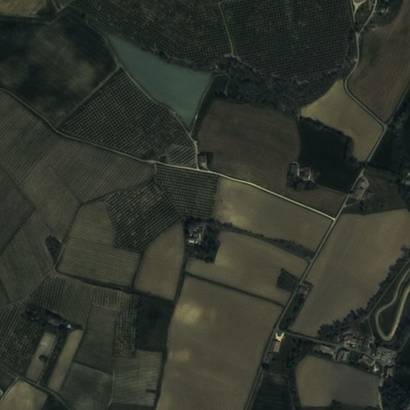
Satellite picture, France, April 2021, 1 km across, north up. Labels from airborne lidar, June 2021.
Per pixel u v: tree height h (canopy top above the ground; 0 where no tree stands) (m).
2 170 0
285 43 6
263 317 0
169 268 0
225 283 0
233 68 22
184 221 0
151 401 0
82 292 0
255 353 0
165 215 6
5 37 0
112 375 0
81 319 0
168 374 0
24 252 0
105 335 0
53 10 0
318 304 0
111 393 0
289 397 0
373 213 0
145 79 0
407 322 0
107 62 0
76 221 0
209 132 0
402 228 0
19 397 0
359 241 0
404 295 0
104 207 0
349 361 6
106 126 6
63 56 0
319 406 0
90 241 0
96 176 0
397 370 8
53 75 0
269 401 0
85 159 0
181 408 0
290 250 0
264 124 0
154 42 6
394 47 0
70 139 0
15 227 0
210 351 0
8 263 0
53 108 0
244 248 0
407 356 0
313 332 0
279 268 0
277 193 0
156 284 0
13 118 0
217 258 0
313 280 0
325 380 0
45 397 0
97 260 0
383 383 0
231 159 0
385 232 0
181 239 0
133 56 0
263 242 0
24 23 0
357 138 0
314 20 6
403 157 6
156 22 6
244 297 0
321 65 6
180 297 0
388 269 0
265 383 0
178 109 0
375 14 0
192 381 0
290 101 20
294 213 0
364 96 0
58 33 0
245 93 22
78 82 0
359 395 0
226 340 0
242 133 0
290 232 0
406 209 0
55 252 11
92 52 0
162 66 0
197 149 0
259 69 6
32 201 0
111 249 0
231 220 0
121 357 0
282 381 0
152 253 0
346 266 0
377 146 0
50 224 0
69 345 0
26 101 0
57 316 11
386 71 0
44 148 0
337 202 0
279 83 18
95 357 0
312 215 0
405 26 0
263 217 0
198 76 0
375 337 10
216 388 0
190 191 6
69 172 0
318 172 0
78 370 0
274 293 0
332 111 0
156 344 0
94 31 0
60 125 0
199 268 0
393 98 0
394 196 0
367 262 0
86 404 0
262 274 0
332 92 0
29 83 0
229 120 0
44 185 0
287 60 7
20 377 0
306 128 0
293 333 0
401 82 0
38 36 0
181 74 0
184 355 0
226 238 0
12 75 0
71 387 0
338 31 6
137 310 13
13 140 0
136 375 0
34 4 0
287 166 0
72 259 0
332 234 0
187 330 0
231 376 0
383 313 0
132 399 0
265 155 0
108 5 7
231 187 0
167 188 6
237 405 0
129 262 0
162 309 0
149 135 6
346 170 0
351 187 0
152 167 0
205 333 0
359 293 0
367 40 0
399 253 0
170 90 0
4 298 0
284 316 0
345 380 0
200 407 0
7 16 0
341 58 6
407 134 0
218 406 0
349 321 14
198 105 0
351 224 0
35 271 0
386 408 15
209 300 0
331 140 0
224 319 0
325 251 0
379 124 0
